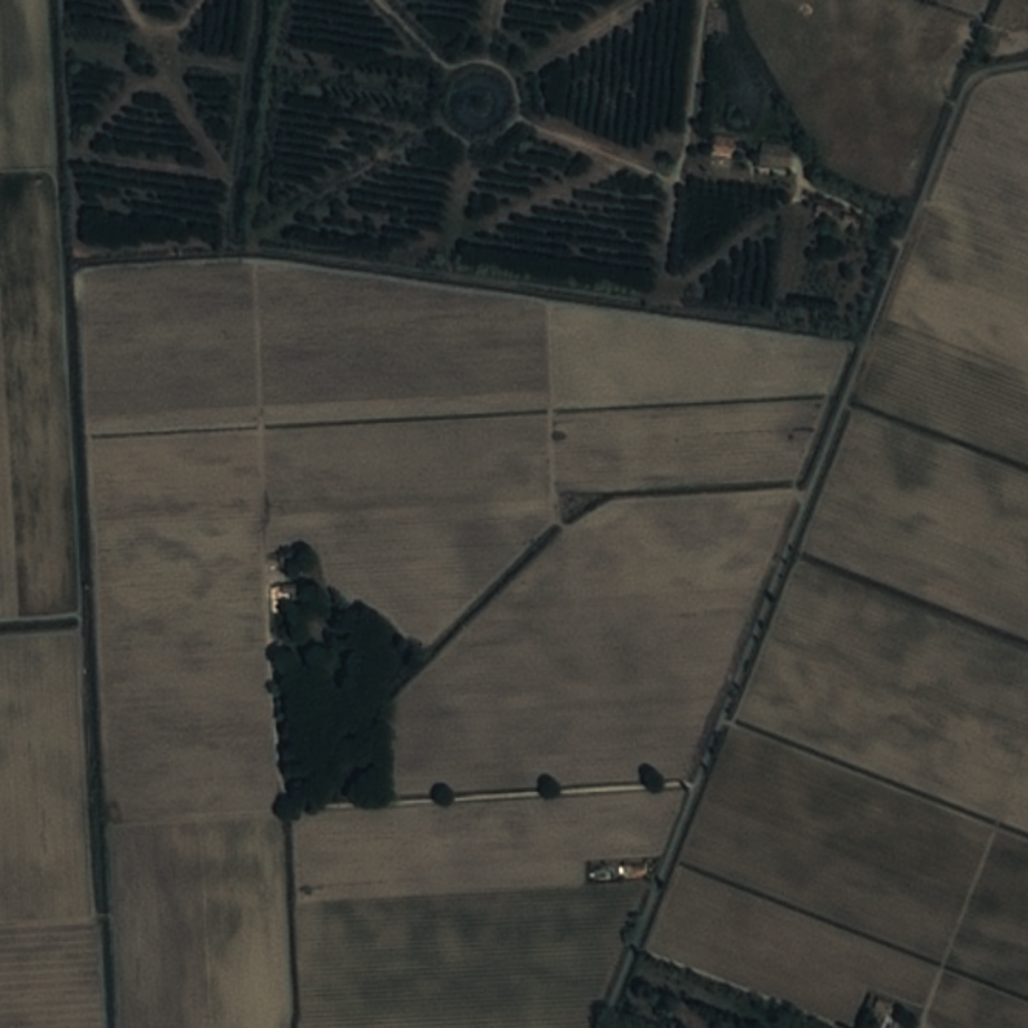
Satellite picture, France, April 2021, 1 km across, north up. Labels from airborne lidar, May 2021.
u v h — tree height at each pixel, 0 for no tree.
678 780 0
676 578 0
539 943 0
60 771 0
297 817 12
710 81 7
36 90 0
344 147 9
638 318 0
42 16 0
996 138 0
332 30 10
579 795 0
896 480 0
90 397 0
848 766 0
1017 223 0
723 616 0
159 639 0
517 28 13
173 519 0
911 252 0
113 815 0
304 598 17
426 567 0
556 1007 0
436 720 0
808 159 18
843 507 0
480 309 0
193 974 0
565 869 0
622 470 0
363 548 0
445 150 13
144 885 0
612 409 0
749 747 0
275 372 0
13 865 0
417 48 9
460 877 0
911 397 0
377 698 18
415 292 0
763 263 13
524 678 0
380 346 0
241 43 12
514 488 0
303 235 14
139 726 0
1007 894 0
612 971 0
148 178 11
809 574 0
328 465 0
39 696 0
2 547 0
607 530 0
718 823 0
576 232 12
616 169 0
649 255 12
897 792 0
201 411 0
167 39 0
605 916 0
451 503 0
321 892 0
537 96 9
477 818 0
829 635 0
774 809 0
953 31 0
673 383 0
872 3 0
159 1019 0
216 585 0
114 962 0
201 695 0
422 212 11
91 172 11
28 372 0
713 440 0
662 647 0
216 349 0
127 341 0
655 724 0
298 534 0
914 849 0
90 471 0
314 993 0
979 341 0
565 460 0
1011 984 0
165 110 10
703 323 0
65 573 0
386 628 15
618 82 8
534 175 10
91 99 13
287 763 14
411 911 0
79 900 0
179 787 0
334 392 0
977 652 0
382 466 0
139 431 0
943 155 0
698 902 0
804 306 14
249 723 0
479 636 0
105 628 0
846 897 0
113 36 8
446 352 0
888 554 0
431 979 0
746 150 7
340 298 0
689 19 9
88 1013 0
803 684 0
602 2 10
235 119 8
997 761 0
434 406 0
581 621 0
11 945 0
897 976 0
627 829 0
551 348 0
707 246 13
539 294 6
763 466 0
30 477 0
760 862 0
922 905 0
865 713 0
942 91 0
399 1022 0
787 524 0
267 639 0
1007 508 0
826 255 12
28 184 0
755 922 0
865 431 0
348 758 18
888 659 0
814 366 0
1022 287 0
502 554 0
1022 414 0
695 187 10
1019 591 0
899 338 0
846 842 0
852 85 0
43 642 0
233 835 0
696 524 0
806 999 0
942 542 0
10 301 0
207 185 12
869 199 17
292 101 14
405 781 0
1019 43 0
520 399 0
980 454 0
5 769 0
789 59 0
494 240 11
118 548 0
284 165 13
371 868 0
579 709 0
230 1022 0
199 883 0
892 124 0
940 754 0
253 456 0
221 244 9
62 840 0
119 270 0
